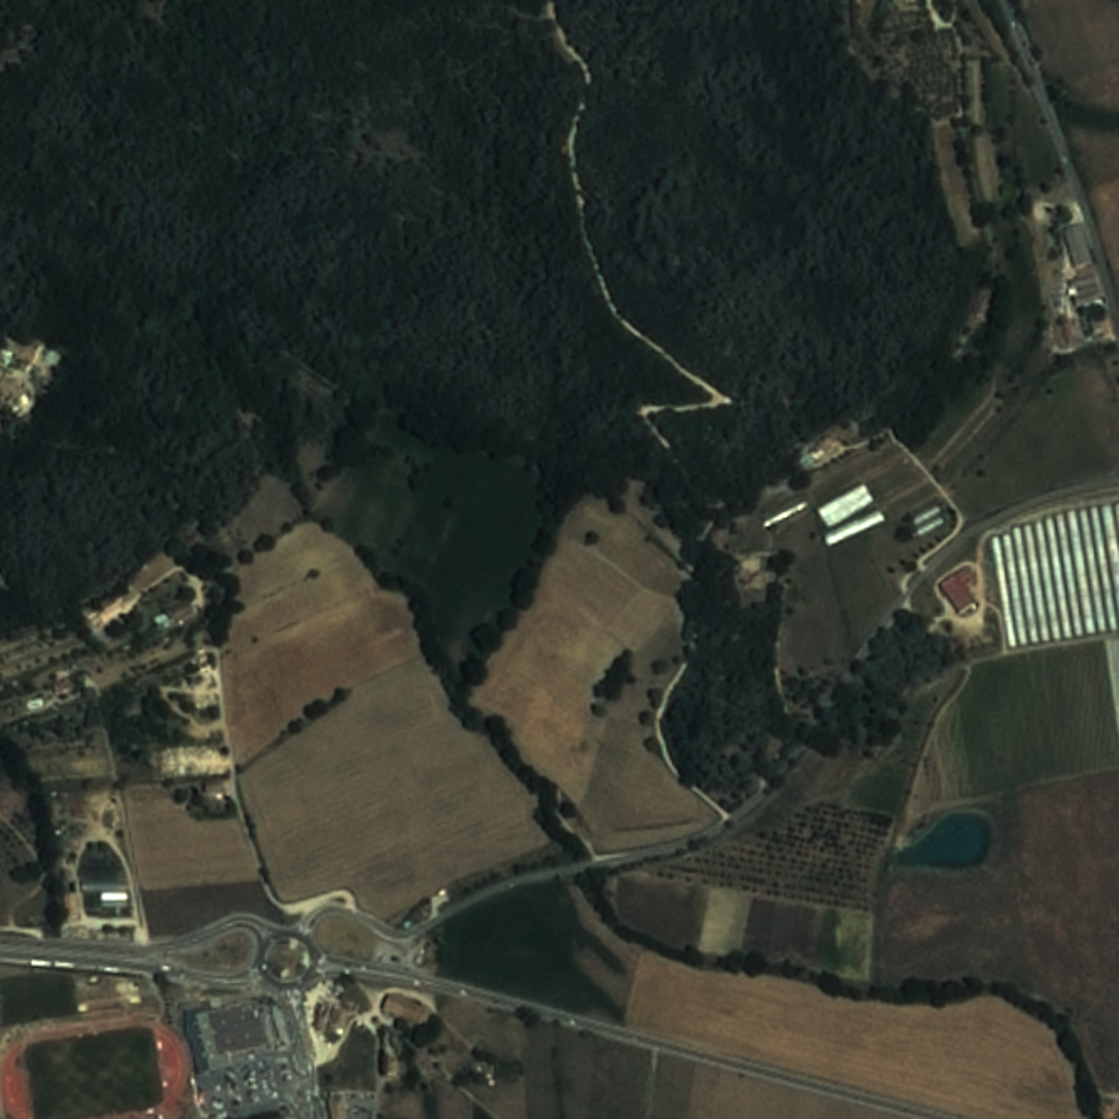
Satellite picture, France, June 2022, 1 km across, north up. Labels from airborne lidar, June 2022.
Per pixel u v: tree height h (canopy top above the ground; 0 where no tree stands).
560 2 18
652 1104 0
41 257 16
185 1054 0
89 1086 0
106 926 8
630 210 6
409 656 0
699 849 11
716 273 19
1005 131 14
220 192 16
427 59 8
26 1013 0
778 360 15
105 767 0
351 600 0
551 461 21
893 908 0
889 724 14
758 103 11
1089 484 0
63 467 20
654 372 12
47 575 22
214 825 0
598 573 0
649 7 15
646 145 6
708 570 18
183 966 0
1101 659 0
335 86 12
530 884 0
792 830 8
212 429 8
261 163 10
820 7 24
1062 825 0
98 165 19
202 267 21
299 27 8
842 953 0
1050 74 6
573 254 13
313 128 17
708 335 5
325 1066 0
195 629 5
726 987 0
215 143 15
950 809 0
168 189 21
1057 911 0
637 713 0
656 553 0
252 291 18
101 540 21
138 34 6
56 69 19
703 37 19
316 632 0
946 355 15
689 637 8
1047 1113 0
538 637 0
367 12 9
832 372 14
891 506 0
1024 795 0
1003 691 0
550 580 0
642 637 0
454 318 16
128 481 17
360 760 0
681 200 15
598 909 9
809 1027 0
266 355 10
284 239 20
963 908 0
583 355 13
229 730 0
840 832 7
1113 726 0
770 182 22
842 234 20
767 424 8
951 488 0
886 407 9
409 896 0
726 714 18
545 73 7
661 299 8
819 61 16
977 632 0
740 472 8
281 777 0
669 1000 0
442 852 0
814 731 12
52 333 15
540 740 0
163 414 17
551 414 20
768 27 14
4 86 14
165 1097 0
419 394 11
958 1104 0
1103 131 0
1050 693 0
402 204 15
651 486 11
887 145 20
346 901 0
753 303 14
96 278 18
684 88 10
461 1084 10
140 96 16
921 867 0
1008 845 0
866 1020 0
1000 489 0
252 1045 0
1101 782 0
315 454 0
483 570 0
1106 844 0
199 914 0
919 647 18
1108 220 0
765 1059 0
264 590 0
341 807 0
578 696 0
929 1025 0
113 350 18
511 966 0
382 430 0
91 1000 0
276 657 0
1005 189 10
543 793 10
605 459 19
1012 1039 0
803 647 0
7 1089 0
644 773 0
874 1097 0
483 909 0
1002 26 10
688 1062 0
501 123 18
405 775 0
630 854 0
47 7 10
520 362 14
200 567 18
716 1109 0
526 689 0
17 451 14
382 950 0
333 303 19
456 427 23
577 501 14
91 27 20
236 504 21
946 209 11
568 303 14
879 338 18
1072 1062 15
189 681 7
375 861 0
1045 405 0
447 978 0
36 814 12
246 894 0
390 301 20
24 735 11
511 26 8
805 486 14
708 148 10
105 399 17
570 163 11
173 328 21
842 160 14
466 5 8
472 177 9
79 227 15
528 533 0
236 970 0
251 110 9
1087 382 0
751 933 0
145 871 0
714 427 7
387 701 0
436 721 0
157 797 0
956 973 0
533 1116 0
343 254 9
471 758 0
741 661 15
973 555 0
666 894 0
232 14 16
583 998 0
